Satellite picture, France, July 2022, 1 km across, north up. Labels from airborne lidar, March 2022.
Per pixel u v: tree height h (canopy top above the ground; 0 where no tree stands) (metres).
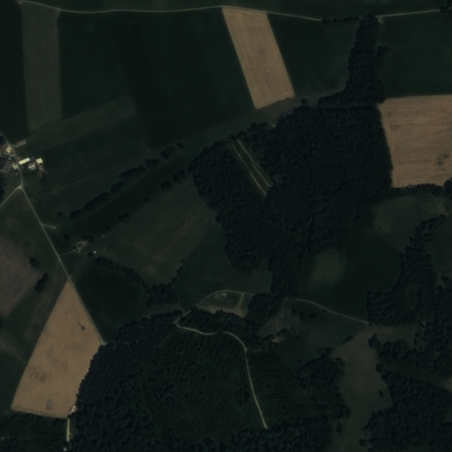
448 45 0
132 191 0
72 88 0
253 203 21
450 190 27
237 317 24
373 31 22
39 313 0
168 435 6
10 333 0
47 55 0
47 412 0
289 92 0
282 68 0
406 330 0
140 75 0
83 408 13
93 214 0
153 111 0
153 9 0
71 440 0
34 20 0
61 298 0
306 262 0
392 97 0
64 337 0
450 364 17
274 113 0
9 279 0
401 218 0
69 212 0
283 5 0
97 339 0
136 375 19
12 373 0
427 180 0
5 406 0
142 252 0
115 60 0
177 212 0
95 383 21
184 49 0
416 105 0
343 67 0
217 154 19
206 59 0
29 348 0
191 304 0
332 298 0
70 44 0
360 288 0
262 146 23
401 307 30
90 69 0
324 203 31
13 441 6
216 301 0
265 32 0
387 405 0
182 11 0
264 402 0
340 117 27
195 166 19
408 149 0
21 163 0
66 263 0
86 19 0
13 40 0
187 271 0
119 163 0
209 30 0
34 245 0
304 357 0
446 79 0
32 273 0
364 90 27
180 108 0
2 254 0
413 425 27
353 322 0
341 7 0
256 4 0
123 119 0
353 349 0
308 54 0
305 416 0
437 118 0
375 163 29
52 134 0
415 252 27
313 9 0
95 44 0
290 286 19
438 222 16
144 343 23
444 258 0
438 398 30
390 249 0
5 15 0
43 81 0
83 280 0
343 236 25
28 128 0
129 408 27
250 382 0
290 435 32
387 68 0
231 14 0
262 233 26
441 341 22
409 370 0
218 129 0
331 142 29
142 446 28
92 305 0
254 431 13
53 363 0
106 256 0
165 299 19
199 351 10
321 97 0
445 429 28
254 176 0
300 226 25
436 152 0
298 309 0
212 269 0
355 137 27
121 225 0
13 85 0
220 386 0
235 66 0
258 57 0
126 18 0
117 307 0
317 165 20
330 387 24
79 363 0
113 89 0
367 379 0
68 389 0
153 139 0
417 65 0
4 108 0
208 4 0
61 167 0
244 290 0
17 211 0
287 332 11
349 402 0
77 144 0
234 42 0
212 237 0
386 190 25
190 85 0
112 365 24
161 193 0
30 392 0
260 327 14
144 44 0
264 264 0
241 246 18
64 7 0
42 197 0
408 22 0
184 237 0
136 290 0
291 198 16
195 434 0
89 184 0
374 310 26
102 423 30
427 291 24
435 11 0
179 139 0
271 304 19
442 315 21
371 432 20
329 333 0
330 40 0
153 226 0
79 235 0
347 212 28
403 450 18
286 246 25
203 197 22
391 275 0
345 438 0
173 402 14
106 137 0
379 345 24
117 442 30
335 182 15
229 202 26
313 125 26
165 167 0
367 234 0
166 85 0
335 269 0
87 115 0
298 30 0
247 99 0
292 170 19
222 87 0
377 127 23
